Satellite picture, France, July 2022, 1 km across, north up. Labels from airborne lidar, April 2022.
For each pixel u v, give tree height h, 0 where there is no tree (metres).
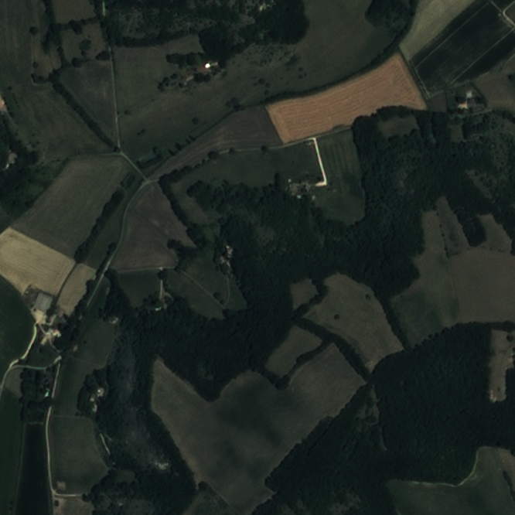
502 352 0
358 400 9
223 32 6
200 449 0
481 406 15
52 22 8
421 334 0
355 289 0
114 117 0
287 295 14
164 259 0
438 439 14
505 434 17
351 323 0
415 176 8
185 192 0
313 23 0
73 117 0
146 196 0
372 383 11
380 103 0
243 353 22
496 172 7
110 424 11
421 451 10
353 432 9
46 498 0
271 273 10
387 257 17
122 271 0
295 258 12
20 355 0
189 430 0
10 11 0
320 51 0
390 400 11
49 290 0
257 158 0
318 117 0
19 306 0
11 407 0
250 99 0
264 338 14
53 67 0
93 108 0
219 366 17
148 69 0
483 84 0
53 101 0
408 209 7
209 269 0
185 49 0
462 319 0
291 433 0
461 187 7
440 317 0
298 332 0
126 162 0
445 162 14
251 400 0
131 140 0
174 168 0
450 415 16
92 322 0
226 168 0
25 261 0
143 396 8
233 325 15
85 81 0
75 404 0
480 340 16
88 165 0
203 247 6
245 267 17
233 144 0
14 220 0
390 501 14
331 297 0
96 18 6
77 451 0
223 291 0
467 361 14
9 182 18
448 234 0
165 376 0
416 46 0
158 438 7
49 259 0
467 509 0
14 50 0
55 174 0
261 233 0
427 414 13
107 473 0
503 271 0
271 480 14
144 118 0
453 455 9
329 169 0
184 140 0
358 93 0
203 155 0
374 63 7
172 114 0
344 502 8
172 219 0
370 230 12
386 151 8
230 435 0
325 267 12
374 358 0
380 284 19
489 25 0
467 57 0
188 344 13
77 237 0
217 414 0
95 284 15
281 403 0
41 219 0
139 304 0
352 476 13
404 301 0
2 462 0
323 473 11
